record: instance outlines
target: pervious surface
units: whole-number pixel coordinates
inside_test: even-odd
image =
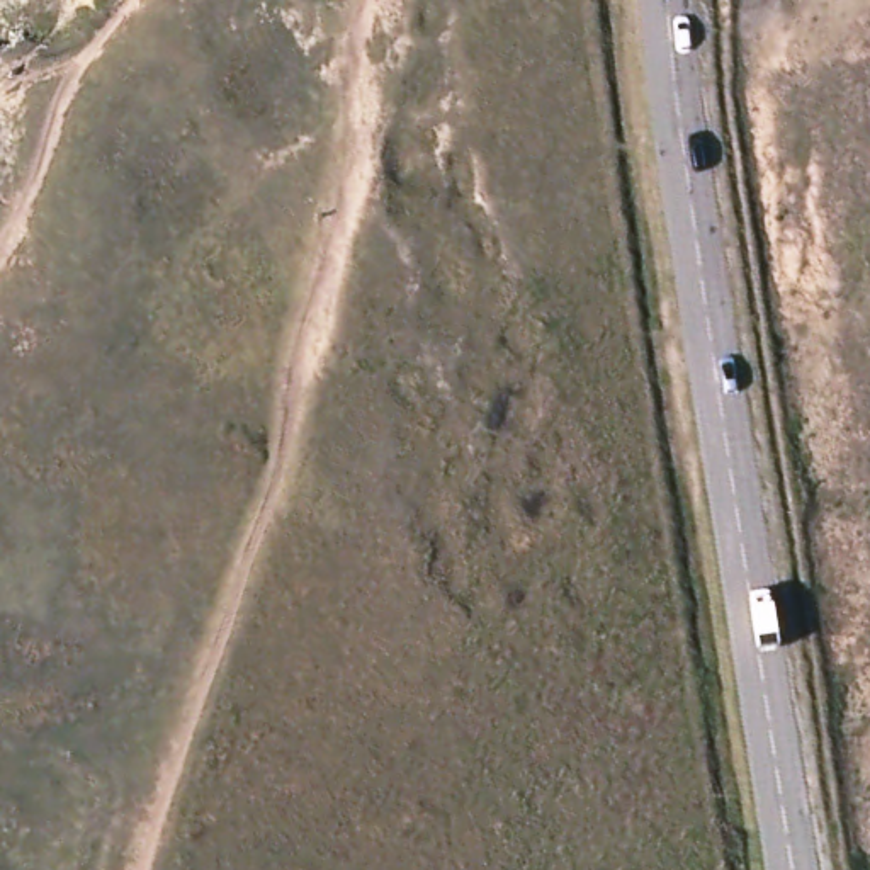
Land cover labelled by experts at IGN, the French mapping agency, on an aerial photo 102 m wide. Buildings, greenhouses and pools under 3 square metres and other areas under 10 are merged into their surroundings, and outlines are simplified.
[[[656,268],[663,323],[653,330],[653,336],[659,364],[669,374],[666,415],[673,432],[673,459],[686,479],[697,527],[700,574],[710,598],[717,669],[724,683],[731,761],[741,788],[744,826],[751,833],[754,870],[768,870],[758,839],[748,737],[731,656],[710,493],[697,432],[697,404],[686,367],[686,347],[680,333],[680,296],[663,218],[656,129],[642,65],[639,0],[608,0],[636,204],[649,231]]]
[[[65,116],[82,88],[88,65],[105,54],[109,41],[126,27],[133,14],[143,10],[143,0],[122,0],[116,14],[105,20],[105,27],[78,54],[65,61],[44,65],[37,61],[37,54],[0,58],[0,160],[14,163],[17,156],[27,92],[37,82],[61,85],[48,109],[41,143],[27,170],[27,184],[10,197],[7,221],[0,224],[0,272],[10,265],[14,248],[27,238],[34,201],[48,180],[54,150],[61,143]]]
[[[404,71],[408,65],[408,0],[285,0],[282,24],[306,51],[309,68],[330,85],[340,109],[333,119],[323,190],[309,207],[302,272],[296,282],[292,313],[275,367],[268,462],[248,520],[241,527],[241,537],[234,544],[231,568],[221,581],[218,605],[207,619],[190,673],[190,690],[180,707],[180,724],[173,727],[170,748],[160,761],[146,819],[136,826],[129,856],[133,870],[153,870],[190,758],[190,744],[204,724],[211,686],[228,659],[234,629],[241,622],[248,585],[255,581],[275,520],[289,506],[289,489],[296,483],[299,452],[306,442],[306,418],[316,398],[316,381],[323,374],[340,323],[340,296],[350,272],[350,248],[357,228],[364,221],[374,234],[384,234],[394,245],[401,265],[415,262],[408,234],[394,228],[394,221],[384,214],[377,201],[377,170],[384,143],[381,82],[394,71]]]

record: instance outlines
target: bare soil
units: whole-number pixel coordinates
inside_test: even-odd
[[[190,690],[190,673],[207,619],[218,605],[221,581],[231,568],[234,544],[241,537],[241,527],[248,520],[268,462],[275,367],[292,313],[296,282],[302,272],[309,207],[323,190],[333,119],[340,109],[330,85],[309,68],[306,51],[282,24],[285,0],[143,0],[143,10],[133,14],[126,27],[109,41],[105,54],[88,65],[82,88],[65,116],[61,143],[54,150],[48,180],[34,201],[27,238],[14,248],[10,265],[0,272],[0,870],[133,870],[129,856],[136,826],[146,819],[160,761],[170,748],[173,727],[180,724],[180,707]]]
[[[37,61],[44,65],[65,61],[78,54],[105,27],[105,20],[116,14],[122,0],[0,0],[0,58],[37,54]]]
[[[61,85],[37,82],[27,92],[17,156],[14,163],[0,160],[0,224],[7,221],[10,197],[27,184],[27,170],[41,143],[48,109]]]
[[[788,581],[802,581],[805,588],[816,588],[822,595],[819,612],[826,629],[795,639],[795,646],[802,656],[819,802],[829,839],[826,870],[870,870],[870,0],[710,0],[710,27],[703,31],[700,44],[714,51],[717,129],[710,136],[720,143],[717,167],[727,177],[748,333],[754,347],[754,357],[748,357],[751,387],[758,387],[761,394],[761,418]]]
[[[323,374],[316,381],[316,398],[306,418],[306,442],[299,452],[296,483],[289,489],[289,506],[275,520],[255,581],[248,585],[241,622],[234,629],[228,659],[211,686],[204,724],[190,744],[190,758],[153,870],[754,870],[751,833],[744,826],[741,788],[731,761],[724,683],[717,669],[710,598],[700,574],[697,527],[686,479],[673,459],[673,432],[666,415],[669,374],[659,364],[653,336],[653,330],[663,323],[656,268],[649,231],[636,204],[608,0],[408,0],[408,65],[404,71],[394,71],[381,82],[384,143],[377,170],[377,201],[384,214],[394,221],[394,228],[408,234],[415,262],[401,265],[394,245],[384,234],[374,234],[364,221],[357,228],[350,248],[350,272],[340,296],[340,323]]]

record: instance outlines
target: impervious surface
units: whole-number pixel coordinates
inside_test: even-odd
[[[642,65],[656,129],[663,218],[680,296],[680,333],[686,347],[686,367],[697,404],[697,432],[710,493],[731,656],[748,737],[758,839],[768,870],[826,870],[829,839],[819,802],[802,656],[795,646],[795,639],[826,629],[819,612],[822,595],[816,588],[805,588],[802,581],[788,581],[761,418],[761,394],[758,387],[751,387],[748,357],[754,357],[754,347],[748,333],[727,177],[717,167],[720,143],[710,136],[717,129],[714,51],[700,44],[703,31],[710,27],[710,0],[639,0]]]

